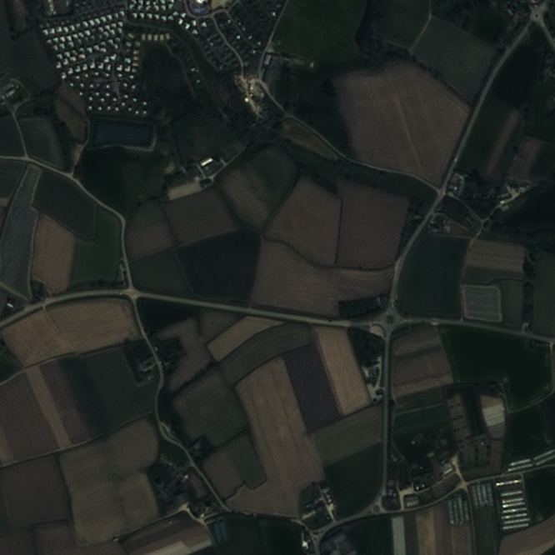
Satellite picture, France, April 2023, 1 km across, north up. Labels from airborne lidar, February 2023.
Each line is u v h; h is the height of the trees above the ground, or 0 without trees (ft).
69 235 0
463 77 0
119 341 0
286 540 0
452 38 0
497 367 0
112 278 0
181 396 0
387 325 0
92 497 0
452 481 0
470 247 0
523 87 0
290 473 0
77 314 0
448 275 0
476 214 0
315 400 0
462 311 0
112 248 0
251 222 0
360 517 0
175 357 24
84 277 0
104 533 0
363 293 0
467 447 0
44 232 0
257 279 0
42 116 33
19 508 0
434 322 0
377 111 0
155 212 0
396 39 0
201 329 0
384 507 0
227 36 29
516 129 0
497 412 0
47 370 0
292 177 0
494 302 0
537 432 0
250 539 0
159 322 0
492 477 0
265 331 0
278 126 39
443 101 0
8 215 0
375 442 0
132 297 0
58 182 0
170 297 0
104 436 0
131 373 0
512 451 0
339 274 0
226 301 0
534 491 0
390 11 0
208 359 0
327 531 0
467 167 0
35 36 0
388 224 0
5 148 0
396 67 0
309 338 0
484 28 0
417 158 0
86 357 0
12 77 0
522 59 0
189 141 0
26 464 0
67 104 0
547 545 0
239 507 0
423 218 21
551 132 0
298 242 0
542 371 0
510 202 0
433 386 0
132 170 0
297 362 0
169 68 0
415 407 0
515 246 0
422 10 0
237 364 0
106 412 0
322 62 0
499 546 0
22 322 0
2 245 0
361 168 20
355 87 0
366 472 0
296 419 0
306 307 0
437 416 0
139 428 0
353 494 0
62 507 0
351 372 0
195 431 0
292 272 0
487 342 0
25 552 0
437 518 0
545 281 0
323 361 0
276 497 0
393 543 0
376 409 0
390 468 0
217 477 0
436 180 0
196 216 0
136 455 0
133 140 0
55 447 0
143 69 0
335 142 0
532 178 0
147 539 0
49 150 0
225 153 0
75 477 0
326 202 0
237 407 0
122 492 0
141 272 0
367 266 0
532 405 0
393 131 0
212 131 0
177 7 0
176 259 0
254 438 0
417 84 0
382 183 0
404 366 0
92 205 0
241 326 0
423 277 0
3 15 0
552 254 0
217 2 0
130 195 0
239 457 0
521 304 0
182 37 0
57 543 0
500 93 0
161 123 31
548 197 0
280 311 0
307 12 0
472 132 0
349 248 0
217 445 0
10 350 0
